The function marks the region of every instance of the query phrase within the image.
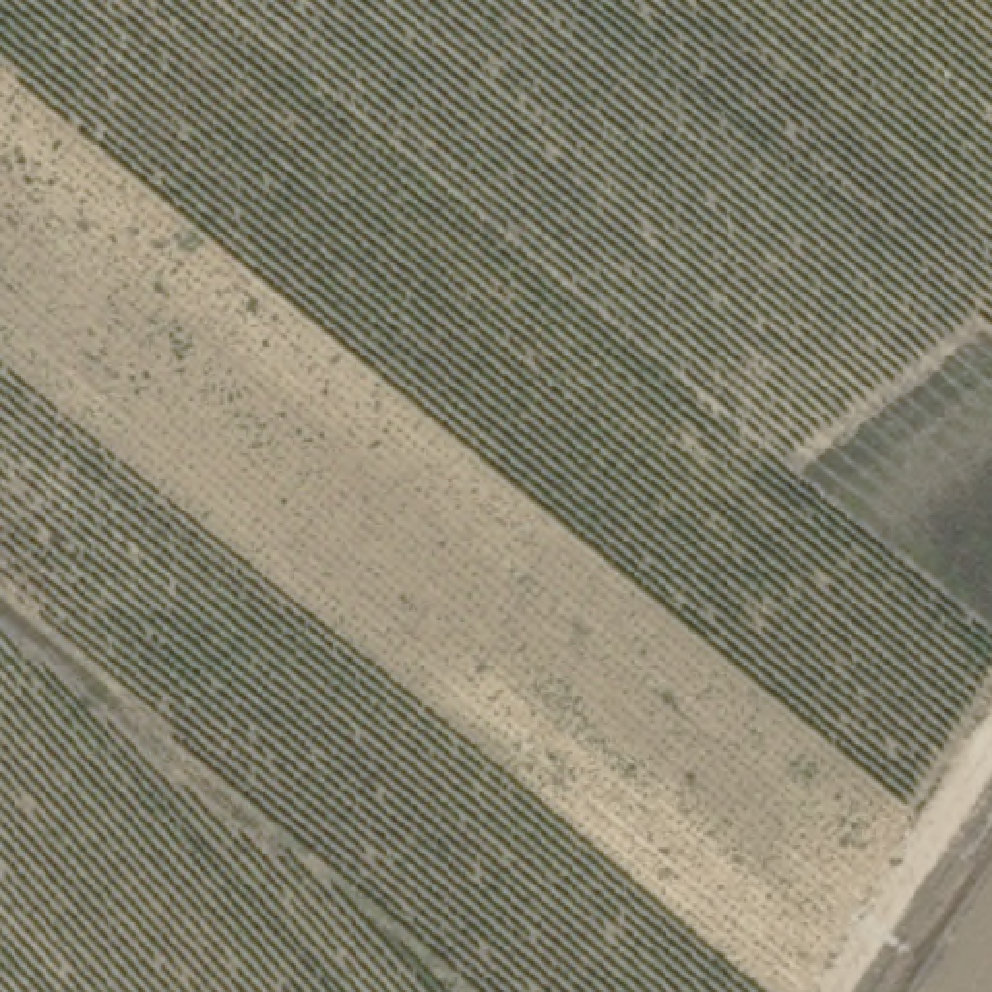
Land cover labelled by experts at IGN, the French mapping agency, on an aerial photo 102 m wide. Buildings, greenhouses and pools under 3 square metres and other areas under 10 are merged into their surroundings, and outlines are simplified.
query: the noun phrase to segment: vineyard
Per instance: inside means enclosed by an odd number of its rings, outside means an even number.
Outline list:
[[[884,876],[903,864],[907,833],[918,829],[926,806],[938,798],[946,775],[953,771],[957,744],[973,736],[973,729],[992,732],[992,0],[0,0],[0,992],[818,992],[810,980],[814,965],[837,965],[849,942],[849,915],[872,911]]]

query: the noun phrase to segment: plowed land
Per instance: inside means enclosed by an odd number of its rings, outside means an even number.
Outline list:
[[[957,829],[957,837],[949,841],[949,849],[903,911],[891,942],[868,965],[856,992],[992,992],[992,798]]]

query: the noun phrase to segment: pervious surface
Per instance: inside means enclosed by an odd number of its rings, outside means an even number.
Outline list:
[[[957,829],[992,798],[992,732],[973,729],[973,736],[957,744],[953,771],[946,775],[938,798],[926,806],[918,829],[907,833],[903,864],[884,876],[872,911],[849,915],[849,942],[837,965],[814,965],[810,980],[818,992],[856,992],[868,965],[891,942],[903,911],[949,849],[949,841],[957,837]]]

